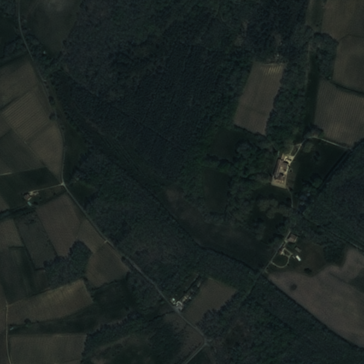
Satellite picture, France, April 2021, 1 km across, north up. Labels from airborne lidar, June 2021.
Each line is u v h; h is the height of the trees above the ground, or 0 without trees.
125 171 12
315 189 16
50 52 0
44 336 0
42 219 0
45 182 0
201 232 0
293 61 24
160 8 12
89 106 18
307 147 31
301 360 20
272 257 0
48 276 13
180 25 14
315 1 0
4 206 0
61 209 0
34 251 0
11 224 0
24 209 6
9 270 0
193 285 7
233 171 20
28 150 0
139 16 13
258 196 0
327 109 0
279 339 25
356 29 0
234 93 24
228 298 0
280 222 0
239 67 27
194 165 23
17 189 0
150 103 23
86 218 0
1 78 0
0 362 0
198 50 21
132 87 15
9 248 0
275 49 7
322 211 14
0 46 0
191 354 6
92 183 22
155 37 17
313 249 0
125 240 23
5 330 0
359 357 15
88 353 13
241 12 17
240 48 7
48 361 0
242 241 0
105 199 26
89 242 0
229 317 13
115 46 11
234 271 19
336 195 19
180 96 21
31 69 0
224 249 0
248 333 8
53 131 0
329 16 0
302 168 0
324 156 0
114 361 0
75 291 0
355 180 19
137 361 0
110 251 0
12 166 0
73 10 0
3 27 0
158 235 17
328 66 22
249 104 0
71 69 16
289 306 12
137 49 16
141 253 9
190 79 18
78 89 20
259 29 10
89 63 15
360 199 20
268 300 10
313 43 19
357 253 0
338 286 0
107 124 18
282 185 0
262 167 16
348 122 0
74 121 13
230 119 24
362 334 0
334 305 0
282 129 25
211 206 0
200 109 18
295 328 10
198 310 0
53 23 0
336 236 12
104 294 0
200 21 15
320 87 0
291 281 0
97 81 17
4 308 0
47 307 0
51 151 0
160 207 17
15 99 0
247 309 23
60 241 0
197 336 0
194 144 18
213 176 0
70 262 21
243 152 21
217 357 11
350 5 0
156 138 16
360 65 0
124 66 18
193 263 22
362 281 0
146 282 19
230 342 0
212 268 18
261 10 13
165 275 6
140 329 5
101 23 16
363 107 0
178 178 18
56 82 8
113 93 13
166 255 8
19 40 15
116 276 0
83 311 0
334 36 0
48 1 0
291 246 11
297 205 0
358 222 13
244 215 24
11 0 21
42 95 0
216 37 16
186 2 7
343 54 0
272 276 0
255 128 0
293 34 20
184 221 0
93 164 23
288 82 22
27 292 0
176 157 19
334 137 0
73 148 0
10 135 0
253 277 17
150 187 7
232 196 20
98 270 0
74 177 14
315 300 0
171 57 19
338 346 15
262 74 0
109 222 18
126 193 21
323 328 6
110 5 13
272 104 0
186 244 16
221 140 0
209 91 19
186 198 14
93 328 0
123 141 18
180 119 17
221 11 8
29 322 16
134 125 19
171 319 0
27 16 0
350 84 0
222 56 23
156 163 16
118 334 14
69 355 0
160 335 7
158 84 19
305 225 25
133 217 20
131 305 0
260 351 16
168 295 16
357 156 20
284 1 13
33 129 0
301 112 26
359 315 0
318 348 20
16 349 0
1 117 0
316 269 0
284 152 18
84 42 10
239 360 16
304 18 20
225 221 16
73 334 0
